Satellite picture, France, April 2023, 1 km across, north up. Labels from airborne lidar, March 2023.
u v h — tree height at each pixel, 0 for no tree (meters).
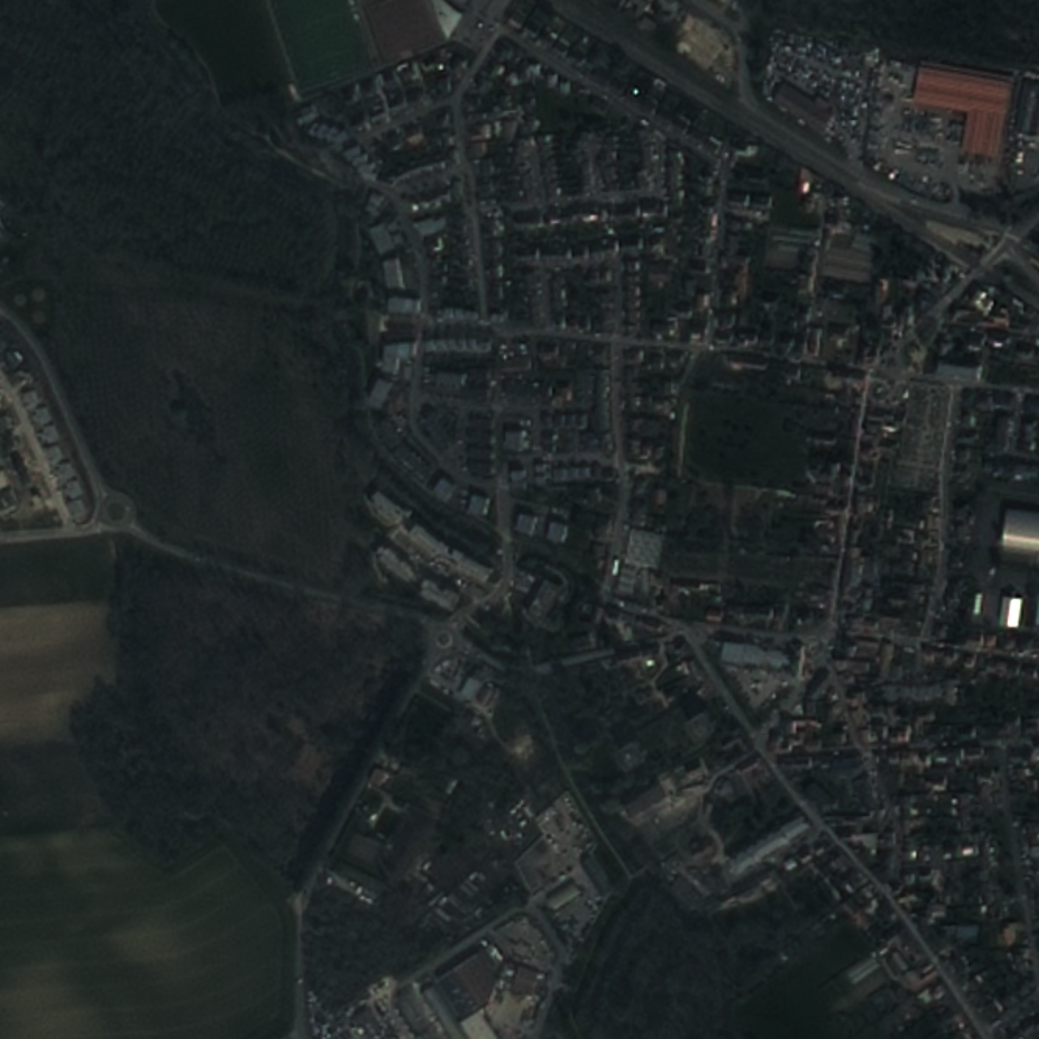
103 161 15
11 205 19
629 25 0
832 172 0
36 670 0
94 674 0
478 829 7
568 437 0
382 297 9
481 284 0
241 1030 0
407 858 32
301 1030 0
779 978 0
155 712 25
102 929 0
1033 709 8
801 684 0
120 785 16
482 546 13
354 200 14
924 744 0
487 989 0
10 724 0
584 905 0
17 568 0
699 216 6
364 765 21
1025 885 0
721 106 0
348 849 0
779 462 0
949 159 0
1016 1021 0
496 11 0
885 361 0
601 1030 30
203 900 0
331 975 6
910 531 0
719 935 22
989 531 0
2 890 0
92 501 0
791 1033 0
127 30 25
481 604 0
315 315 19
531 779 0
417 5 0
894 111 0
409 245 8
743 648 0
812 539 12
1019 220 8
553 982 0
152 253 22
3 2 22
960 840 8
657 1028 38
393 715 19
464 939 0
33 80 28
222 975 0
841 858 0
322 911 12
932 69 0
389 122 0
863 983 0
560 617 20
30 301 0
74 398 8
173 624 27
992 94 0
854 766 0
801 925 13
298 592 0
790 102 0
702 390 8
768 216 0
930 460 0
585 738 21
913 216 0
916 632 0
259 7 0
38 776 0
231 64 0
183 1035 0
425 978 0
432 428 0
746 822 0
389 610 0
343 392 18
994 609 0
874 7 15
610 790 9
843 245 0
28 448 0
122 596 11
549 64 0
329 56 0
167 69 27
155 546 0
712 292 0
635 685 19
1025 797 12
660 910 29
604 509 0
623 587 0
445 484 0
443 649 0
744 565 0
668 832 0
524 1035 0
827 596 0
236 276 16
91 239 18
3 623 0
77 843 0
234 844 0
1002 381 0
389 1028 0
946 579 0
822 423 0
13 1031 0
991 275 0
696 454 0
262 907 0
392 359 0
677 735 0
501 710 0
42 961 0
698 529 8
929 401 0
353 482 23
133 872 0
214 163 27
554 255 0
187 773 29
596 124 9
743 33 0
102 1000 0
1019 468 0
